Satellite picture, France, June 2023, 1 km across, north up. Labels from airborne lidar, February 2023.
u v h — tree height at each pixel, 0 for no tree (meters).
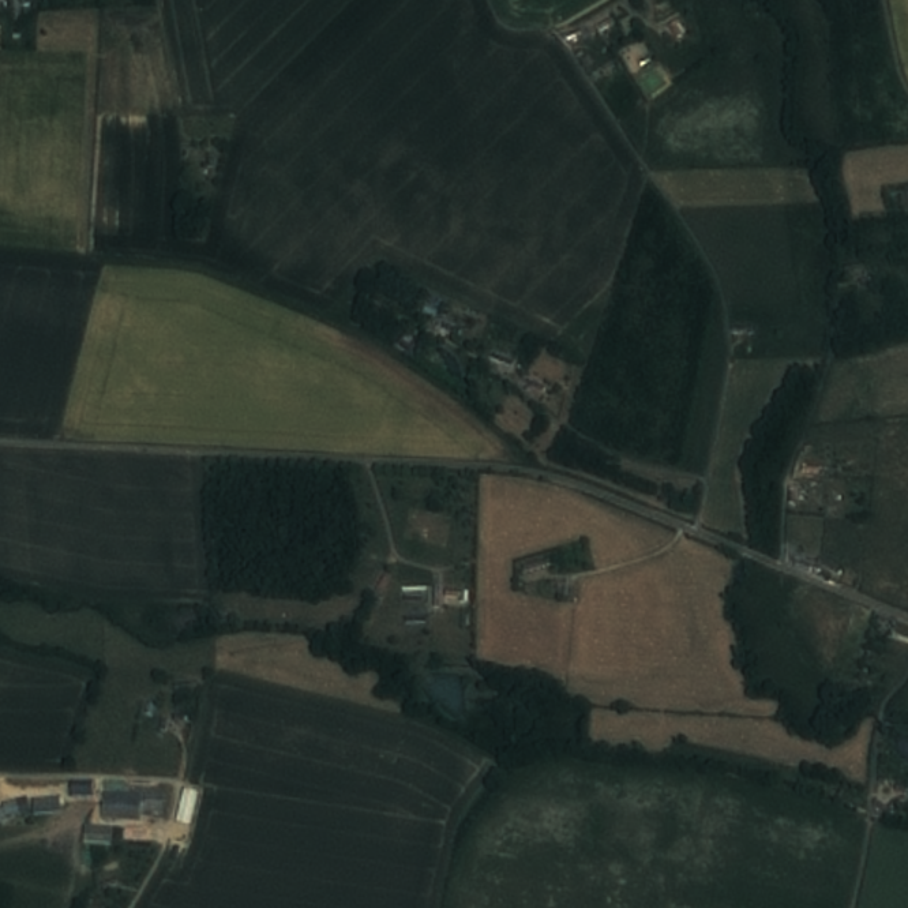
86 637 0
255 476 14
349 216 0
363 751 0
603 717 0
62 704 0
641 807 0
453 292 0
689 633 0
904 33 0
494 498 0
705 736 0
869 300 0
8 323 0
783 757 0
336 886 0
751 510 12
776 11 18
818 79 0
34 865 0
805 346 0
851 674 0
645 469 0
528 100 0
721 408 0
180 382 0
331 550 18
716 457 0
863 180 0
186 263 0
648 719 0
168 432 0
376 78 0
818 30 0
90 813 0
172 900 0
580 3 0
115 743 0
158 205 0
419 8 0
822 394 0
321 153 0
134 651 0
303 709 0
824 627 0
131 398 0
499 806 0
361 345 0
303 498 17
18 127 0
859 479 0
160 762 0
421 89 0
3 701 0
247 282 0
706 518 0
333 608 0
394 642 8
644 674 0
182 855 0
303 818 0
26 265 0
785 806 0
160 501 0
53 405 0
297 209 0
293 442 0
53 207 0
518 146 0
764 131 0
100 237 0
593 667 0
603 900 0
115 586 0
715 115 0
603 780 0
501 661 0
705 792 0
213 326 0
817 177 18
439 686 0
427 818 0
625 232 0
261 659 0
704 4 0
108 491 0
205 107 0
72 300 0
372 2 0
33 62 0
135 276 0
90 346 0
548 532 0
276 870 0
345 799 0
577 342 0
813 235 0
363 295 12
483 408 9
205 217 16
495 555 0
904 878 0
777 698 10
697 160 0
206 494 10
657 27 0
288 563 20
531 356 13
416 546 0
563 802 0
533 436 7
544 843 0
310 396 0
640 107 0
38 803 0
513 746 14
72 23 0
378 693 7
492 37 0
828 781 13
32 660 0
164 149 0
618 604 0
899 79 0
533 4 0
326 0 0
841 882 0
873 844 0
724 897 0
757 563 7
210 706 0
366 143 0
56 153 0
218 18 0
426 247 0
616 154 0
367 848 0
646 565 0
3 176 0
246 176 0
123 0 0
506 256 0
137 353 0
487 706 8
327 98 0
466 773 0
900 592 0
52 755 0
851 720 27
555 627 0
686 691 0
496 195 0
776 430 16
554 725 0
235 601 0
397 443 0
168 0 0
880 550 0
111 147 0
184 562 0
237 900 0
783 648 0
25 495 0
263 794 0
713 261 0
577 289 0
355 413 0
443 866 0
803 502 0
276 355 0
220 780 0
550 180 0
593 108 0
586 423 9
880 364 0
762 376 0
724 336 0
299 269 0
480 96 0
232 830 0
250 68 0
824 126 0
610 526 0
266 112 0
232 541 19
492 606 0
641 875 0
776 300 0
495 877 0
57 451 0
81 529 0
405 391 0
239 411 0
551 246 0
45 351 0
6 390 0
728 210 0
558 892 0
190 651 0
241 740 0
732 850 0
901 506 0
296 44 0
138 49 0
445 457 0
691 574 0
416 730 0
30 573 0
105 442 0
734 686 0
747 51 0
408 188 0
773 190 0
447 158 0
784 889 0
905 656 0
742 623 11
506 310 0
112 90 0
